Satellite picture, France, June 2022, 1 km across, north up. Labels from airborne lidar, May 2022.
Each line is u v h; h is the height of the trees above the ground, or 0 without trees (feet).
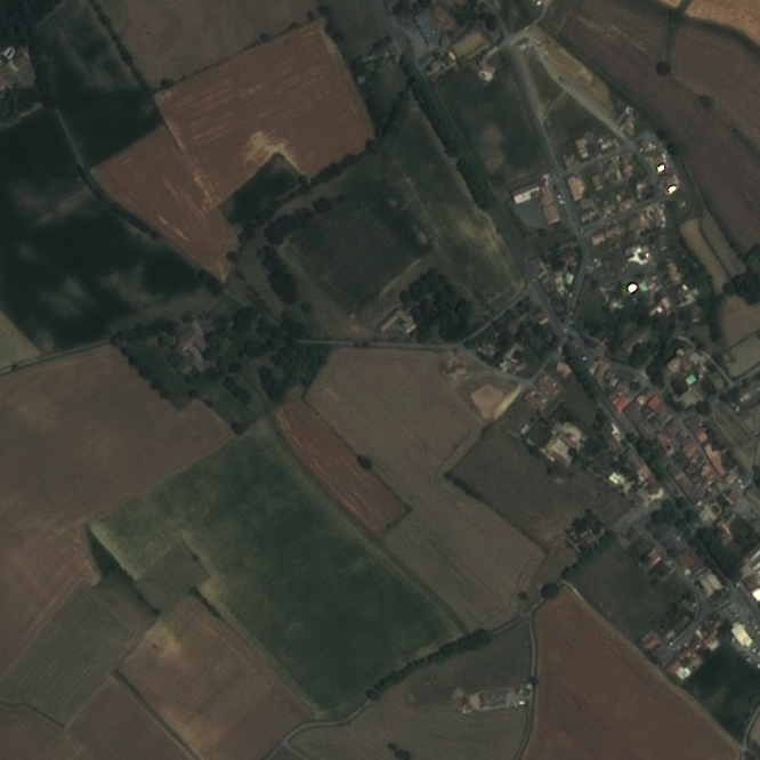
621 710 0
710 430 26
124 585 0
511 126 0
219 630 0
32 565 0
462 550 0
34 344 0
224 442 0
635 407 0
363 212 0
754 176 0
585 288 0
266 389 39
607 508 0
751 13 0
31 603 0
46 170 0
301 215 65
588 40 0
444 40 28
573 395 0
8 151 0
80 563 0
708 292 0
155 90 18
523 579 0
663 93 0
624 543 0
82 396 0
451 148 83
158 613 26
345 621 0
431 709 0
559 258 24
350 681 0
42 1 72
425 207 0
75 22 0
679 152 62
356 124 0
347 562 0
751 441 0
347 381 0
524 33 0
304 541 0
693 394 0
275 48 0
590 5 0
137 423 0
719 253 0
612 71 0
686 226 0
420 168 0
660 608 0
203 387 0
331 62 0
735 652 0
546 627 0
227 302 0
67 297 0
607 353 22
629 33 0
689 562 0
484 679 0
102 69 0
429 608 0
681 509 70
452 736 0
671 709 0
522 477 0
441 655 59
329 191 0
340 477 0
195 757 0
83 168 34
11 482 0
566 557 0
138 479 0
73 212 0
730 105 0
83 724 0
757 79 0
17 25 56
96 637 0
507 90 0
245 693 0
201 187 0
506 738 0
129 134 0
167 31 0
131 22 0
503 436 0
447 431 0
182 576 0
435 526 0
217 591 0
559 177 0
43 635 0
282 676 0
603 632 0
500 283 0
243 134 0
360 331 0
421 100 66
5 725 0
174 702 0
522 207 0
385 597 0
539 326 45
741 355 0
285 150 0
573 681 0
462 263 0
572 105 0
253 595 0
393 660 0
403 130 0
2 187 0
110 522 0
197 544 0
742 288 69
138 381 0
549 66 0
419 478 0
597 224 0
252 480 0
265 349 41
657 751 0
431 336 45
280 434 0
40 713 0
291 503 0
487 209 72
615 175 0
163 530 0
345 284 0
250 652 0
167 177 0
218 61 0
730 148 0
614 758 0
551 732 0
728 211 0
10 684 0
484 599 0
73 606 0
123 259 0
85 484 0
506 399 0
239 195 0
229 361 0
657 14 0
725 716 0
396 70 0
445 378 0
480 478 0
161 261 0
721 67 0
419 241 0
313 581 0
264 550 0
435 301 21
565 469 0
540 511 0
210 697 0
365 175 0
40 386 0
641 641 21
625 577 0
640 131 0
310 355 31
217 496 0
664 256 0
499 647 0
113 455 0
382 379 0
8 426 0
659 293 28
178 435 0
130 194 0
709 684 0
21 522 0
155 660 0
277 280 83
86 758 0
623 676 0
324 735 0
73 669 0
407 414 0
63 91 0
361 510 0
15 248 0
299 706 0
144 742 0
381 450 0
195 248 0
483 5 25
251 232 44
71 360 0
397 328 0
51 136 0
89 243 0
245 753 0
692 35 0
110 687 0
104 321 32
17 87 19
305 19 0
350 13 0
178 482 0
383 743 0
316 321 0
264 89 0
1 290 0
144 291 0
